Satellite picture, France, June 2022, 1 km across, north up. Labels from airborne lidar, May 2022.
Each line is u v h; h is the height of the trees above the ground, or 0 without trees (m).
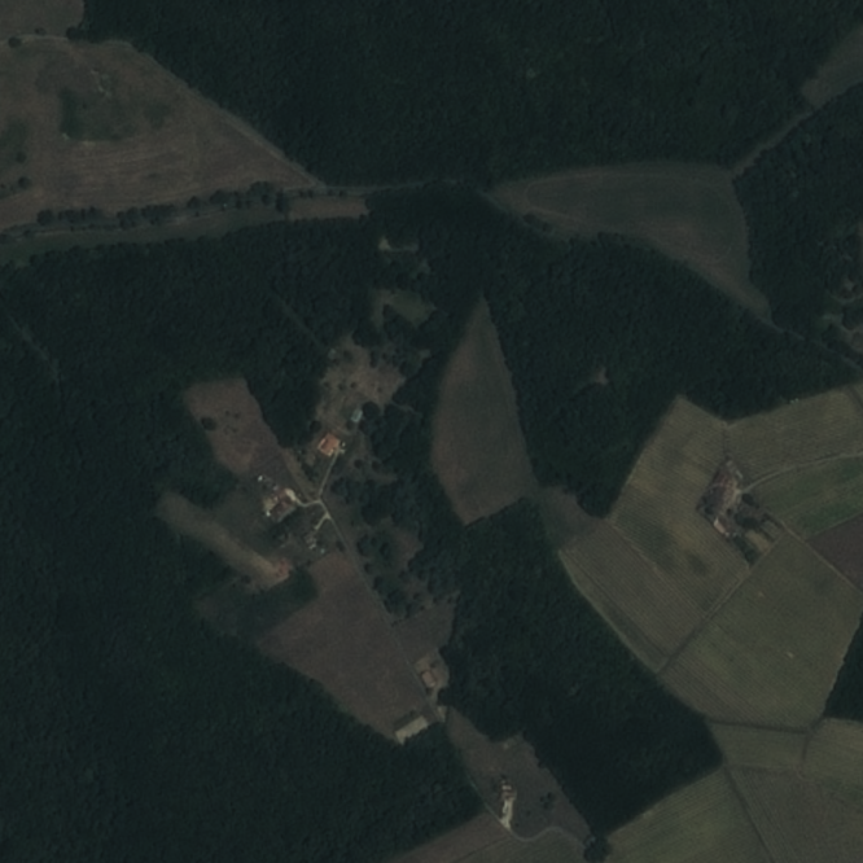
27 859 19
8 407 18
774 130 17
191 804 16
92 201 0
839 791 0
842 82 0
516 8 15
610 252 20
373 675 0
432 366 20
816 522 0
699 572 0
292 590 0
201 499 7
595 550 0
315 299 19
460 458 0
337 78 14
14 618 19
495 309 18
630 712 15
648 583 0
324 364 18
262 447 0
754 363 8
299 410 20
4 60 0
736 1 15
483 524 15
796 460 0
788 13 13
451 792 10
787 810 0
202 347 13
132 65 0
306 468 8
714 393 16
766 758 0
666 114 11
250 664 18
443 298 20
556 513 0
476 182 16
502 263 20
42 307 13
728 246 0
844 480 0
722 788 0
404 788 16
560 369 24
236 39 10
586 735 15
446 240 16
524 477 0
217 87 13
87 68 0
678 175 0
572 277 17
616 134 19
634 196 0
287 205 25
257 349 24
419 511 20
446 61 13
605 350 17
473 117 16
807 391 14
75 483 24
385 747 15
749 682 0
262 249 12
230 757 11
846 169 16
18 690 17
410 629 0
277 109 14
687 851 0
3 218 0
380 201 11
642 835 0
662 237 0
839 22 14
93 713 20
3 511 22
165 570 17
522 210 0
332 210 0
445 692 14
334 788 15
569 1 14
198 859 17
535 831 0
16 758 19
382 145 14
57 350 10
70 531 23
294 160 14
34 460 21
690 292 18
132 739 17
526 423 21
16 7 0
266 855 17
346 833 17
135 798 18
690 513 0
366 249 20
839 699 6
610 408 18
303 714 20
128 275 11
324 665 0
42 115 0
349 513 0
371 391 0
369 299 17
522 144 18
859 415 0
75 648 24
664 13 17
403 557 0
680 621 0
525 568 18
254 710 20
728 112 21
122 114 0
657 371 16
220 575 15
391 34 14
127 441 18
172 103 0
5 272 13
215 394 0
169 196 0
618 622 0
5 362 15
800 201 16
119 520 19
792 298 11
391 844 17
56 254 13
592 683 11
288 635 0
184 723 20
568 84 15
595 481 6
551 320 19
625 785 15
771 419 0
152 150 0
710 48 14
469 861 0
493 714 15
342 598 0
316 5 21
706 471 0
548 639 13
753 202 11
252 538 0
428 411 18
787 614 0
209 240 11
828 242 12
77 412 23
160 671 15
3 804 16
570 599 11
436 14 13
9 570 21
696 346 20
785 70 22
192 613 13
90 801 21
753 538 0
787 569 0
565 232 0
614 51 14
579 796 15
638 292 18
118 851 23
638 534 0
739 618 0
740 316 15
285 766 14
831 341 13
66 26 0
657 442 0
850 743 0
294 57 21
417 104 16
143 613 16
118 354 11
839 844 0
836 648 0
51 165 0
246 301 12
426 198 17
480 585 16
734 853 0
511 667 21
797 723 0
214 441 0
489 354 0
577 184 0
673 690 0
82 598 24
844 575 0
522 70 17
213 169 0
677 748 14
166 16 16
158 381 16
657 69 15
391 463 18
